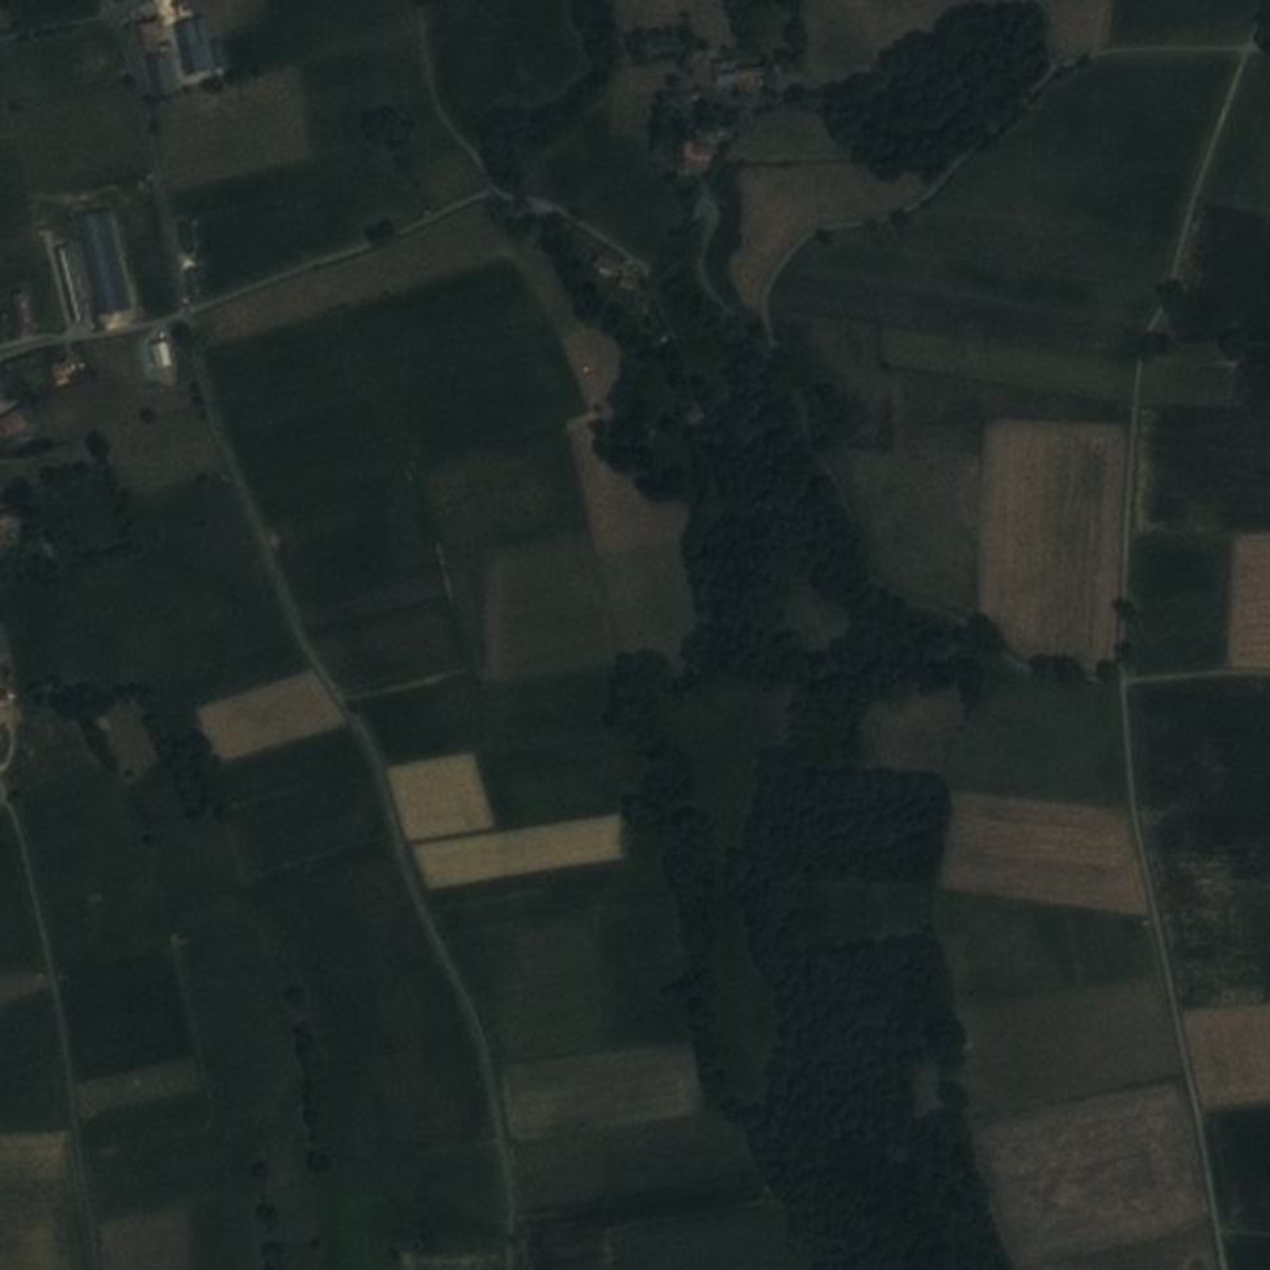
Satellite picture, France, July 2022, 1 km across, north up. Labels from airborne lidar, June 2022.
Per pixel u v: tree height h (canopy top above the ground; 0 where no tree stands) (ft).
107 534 0
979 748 0
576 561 0
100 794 0
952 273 0
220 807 32
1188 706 0
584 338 0
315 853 0
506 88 0
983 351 0
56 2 0
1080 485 0
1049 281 0
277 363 0
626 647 0
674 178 25
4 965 0
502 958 0
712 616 34
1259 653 0
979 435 0
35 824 0
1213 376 0
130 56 0
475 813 0
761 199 0
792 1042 57
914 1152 97
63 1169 0
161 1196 0
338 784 0
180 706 0
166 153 0
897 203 0
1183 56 0
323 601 0
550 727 0
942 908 0
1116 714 0
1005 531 0
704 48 38
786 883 68
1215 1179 0
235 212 0
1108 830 0
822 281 0
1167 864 0
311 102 0
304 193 0
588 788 0
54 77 0
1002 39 94
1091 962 0
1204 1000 0
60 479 45
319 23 0
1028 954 0
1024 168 0
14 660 0
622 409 58
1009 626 0
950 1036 91
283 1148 0
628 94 0
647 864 0
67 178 0
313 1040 52
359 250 0
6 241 0
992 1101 0
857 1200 98
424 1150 0
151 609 0
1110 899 0
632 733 63
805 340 0
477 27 0
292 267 0
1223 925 0
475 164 0
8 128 0
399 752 0
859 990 63
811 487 22
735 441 51
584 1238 0
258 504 0
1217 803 0
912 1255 44
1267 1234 0
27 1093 0
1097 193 0
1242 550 0
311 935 0
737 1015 0
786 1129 85
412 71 0
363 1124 0
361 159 0
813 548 71
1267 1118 0
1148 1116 0
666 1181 0
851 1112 62
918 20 0
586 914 0
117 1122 0
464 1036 0
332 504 0
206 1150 0
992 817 0
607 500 0
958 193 0
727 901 59
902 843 61
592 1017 0
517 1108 0
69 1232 0
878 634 80
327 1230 0
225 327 0
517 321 0
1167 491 0
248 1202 0
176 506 0
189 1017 0
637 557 0
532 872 0
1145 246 0
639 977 0
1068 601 0
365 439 0
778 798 64
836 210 0
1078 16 0
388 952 0
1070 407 0
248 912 0
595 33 68
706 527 45
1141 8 0
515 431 0
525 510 0
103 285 0
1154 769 0
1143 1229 0
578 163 0
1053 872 0
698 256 32
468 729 0
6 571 29
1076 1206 0
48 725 0
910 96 77
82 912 0
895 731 0
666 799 79
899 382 0
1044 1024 0
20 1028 0
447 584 0
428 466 0
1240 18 0
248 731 0
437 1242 0
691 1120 0
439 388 0
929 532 0
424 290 0
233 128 0
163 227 0
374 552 0
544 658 0
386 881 0
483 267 0
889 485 0
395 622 0
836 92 56
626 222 0
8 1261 0
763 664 81
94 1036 0
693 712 0
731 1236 0
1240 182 0
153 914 0
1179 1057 0
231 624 0
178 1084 0
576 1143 0
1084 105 0
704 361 0
